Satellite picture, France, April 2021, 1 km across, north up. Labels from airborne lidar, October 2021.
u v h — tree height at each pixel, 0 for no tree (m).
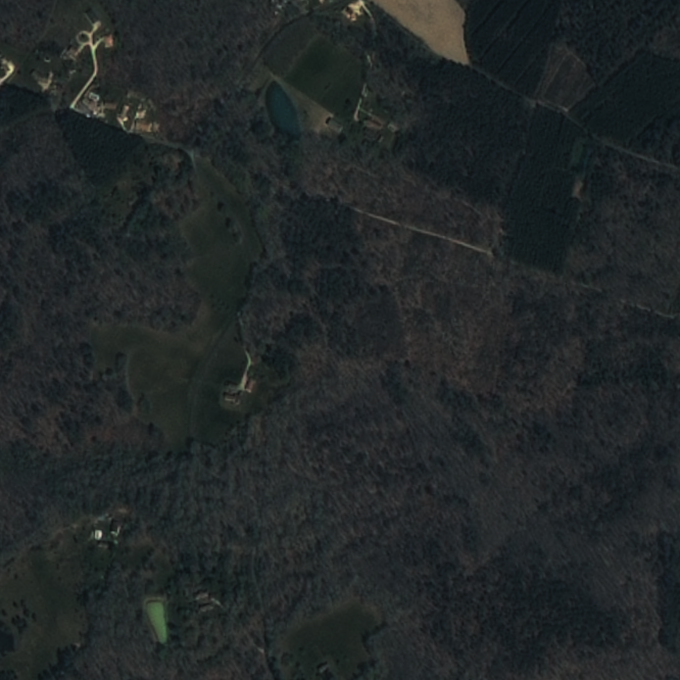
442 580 14
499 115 13
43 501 22
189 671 15
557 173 12
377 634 13
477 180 13
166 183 21
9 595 0
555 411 10
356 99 0
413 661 15
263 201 16
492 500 13
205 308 0
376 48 13
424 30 0
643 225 14
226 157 25
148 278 17
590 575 11
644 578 13
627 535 11
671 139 21
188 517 21
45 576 0
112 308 13
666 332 14
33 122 10
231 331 0
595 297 12
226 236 0
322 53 0
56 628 0
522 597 10
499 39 9
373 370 13
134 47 11
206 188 0
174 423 0
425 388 22
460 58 0
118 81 9
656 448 10
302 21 13
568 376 12
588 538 11
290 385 11
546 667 10
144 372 0
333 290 28
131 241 19
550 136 14
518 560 12
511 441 20
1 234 13
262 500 18
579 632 13
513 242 21
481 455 25
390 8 0
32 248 12
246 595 9
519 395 11
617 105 10
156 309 7
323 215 25
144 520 15
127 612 16
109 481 18
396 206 8
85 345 8
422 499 16
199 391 0
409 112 19
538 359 10
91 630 8
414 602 13
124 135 17
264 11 6
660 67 11
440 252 9
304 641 0
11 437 12
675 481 17
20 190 14
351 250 24
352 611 0
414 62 14
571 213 21
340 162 11
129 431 6
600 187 13
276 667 19
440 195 16
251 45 13
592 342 9
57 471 17
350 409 11
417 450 17
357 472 8
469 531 16
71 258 26
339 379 16
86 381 17
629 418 11
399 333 6
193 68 11
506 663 13
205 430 0
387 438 10
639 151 9
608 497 8
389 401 12
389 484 19
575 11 19
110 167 22
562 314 12
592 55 17
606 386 7
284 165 21
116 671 20
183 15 19
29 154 15
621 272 14
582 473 9
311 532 15
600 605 11
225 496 21
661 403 11
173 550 17
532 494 10
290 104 0
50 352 13
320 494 19
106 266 17
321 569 22
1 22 12
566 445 11
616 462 8
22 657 0
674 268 13
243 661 13
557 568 12
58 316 10
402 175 11
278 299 11
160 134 12
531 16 11
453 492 15
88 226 26
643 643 9
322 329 16
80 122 22
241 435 6
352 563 12
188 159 15
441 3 0
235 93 20
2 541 16
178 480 22
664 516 16
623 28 21
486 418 18
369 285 12
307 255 27
